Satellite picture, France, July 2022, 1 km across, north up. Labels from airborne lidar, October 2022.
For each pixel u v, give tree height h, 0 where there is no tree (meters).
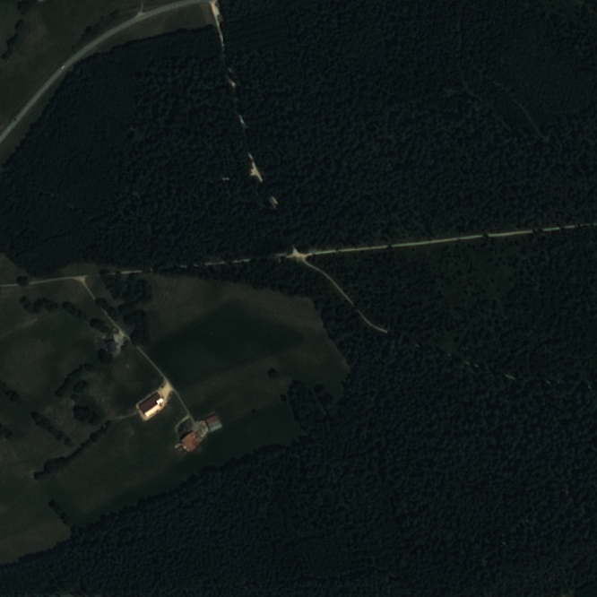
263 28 18
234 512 27
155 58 17
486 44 16
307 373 0
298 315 0
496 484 24
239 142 30
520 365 10
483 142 38
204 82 28
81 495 0
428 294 16
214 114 34
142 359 0
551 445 32
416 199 38
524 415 37
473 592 20
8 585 21
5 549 0
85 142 13
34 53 0
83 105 15
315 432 29
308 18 20
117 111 16
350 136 37
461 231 9
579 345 6
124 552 22
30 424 0
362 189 38
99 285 0
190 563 20
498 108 6
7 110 0
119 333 0
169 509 25
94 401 0
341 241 14
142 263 18
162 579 23
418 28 27
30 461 0
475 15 18
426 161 33
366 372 32
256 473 31
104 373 0
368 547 19
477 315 9
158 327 0
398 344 34
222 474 18
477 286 8
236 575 26
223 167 33
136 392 0
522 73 17
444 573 21
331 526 18
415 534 29
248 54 23
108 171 16
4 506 0
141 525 25
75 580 25
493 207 36
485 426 25
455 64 15
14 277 0
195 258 19
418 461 13
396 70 8
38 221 14
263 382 0
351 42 25
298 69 17
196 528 25
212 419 0
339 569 18
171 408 0
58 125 15
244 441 0
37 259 17
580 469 7
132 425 0
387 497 17
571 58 17
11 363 0
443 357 28
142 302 14
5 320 0
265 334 0
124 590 20
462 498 25
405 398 32
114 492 0
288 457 21
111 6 0
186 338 0
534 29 16
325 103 29
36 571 21
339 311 14
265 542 22
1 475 0
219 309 0
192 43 19
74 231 15
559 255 18
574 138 9
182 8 0
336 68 17
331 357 0
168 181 13
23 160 11
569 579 21
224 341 0
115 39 0
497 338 6
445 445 27
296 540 9
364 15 22
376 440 17
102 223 19
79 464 0
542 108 15
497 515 25
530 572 16
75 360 0
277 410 0
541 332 11
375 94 30
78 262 11
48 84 0
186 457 0
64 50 0
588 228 10
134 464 0
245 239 27
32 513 0
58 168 15
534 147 19
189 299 0
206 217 26
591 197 13
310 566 16
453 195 33
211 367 0
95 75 18
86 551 22
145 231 32
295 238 23
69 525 14
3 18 0
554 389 37
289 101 29
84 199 16
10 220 19
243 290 0
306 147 39
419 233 16
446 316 9
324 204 35
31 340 0
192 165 22
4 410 0
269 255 10
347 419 24
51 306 17
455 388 28
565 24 13
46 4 0
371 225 35
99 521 0
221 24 8
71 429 0
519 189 37
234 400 0
